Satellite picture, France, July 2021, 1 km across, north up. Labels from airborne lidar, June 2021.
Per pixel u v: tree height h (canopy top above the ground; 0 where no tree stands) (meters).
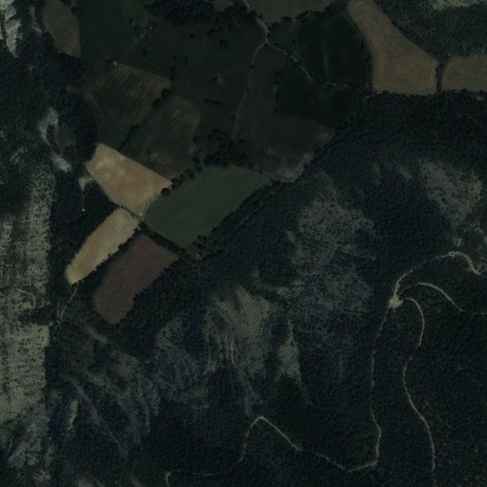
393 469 15
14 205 12
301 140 0
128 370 0
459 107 17
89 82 0
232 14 23
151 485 10
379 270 13
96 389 9
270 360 8
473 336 12
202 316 7
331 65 0
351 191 7
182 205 0
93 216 13
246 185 0
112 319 0
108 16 0
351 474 7
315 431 26
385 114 17
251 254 15
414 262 13
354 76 0
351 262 7
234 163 13
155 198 0
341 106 0
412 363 11
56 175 7
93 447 9
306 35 0
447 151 8
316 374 13
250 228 16
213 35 16
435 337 13
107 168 0
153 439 16
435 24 6
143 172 0
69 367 10
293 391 20
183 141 0
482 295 11
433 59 0
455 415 8
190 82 0
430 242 13
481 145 21
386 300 7
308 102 0
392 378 10
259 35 0
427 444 11
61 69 17
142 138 0
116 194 0
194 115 0
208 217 0
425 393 9
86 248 0
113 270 0
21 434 8
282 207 13
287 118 0
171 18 12
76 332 14
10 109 15
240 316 0
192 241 0
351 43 0
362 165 14
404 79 0
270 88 0
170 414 16
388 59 0
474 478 11
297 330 6
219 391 13
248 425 11
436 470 7
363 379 10
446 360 15
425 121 16
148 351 11
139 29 10
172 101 0
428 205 10
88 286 18
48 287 9
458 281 10
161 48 0
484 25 9
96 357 8
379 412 10
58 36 0
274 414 9
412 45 0
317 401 20
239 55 0
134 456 12
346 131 17
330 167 12
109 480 10
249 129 0
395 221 17
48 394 6
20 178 11
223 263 15
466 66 0
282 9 0
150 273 0
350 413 12
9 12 0
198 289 9
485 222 8
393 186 11
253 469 13
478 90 0
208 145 0
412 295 9
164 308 12
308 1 0
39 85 10
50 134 6
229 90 0
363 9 0
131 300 0
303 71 9
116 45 0
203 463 25
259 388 10
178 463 21
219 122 0
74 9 11
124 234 0
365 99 11
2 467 14
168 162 0
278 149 0
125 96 0
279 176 0
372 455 10
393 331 8
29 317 10
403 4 9
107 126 0
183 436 25
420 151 9
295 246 7
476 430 10
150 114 0
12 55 15
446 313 13
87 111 11
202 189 0
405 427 13
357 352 6
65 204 13
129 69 0
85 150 14
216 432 12
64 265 18
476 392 9
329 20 0
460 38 10
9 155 6
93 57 0
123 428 7
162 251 0
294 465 18
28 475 8
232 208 0
